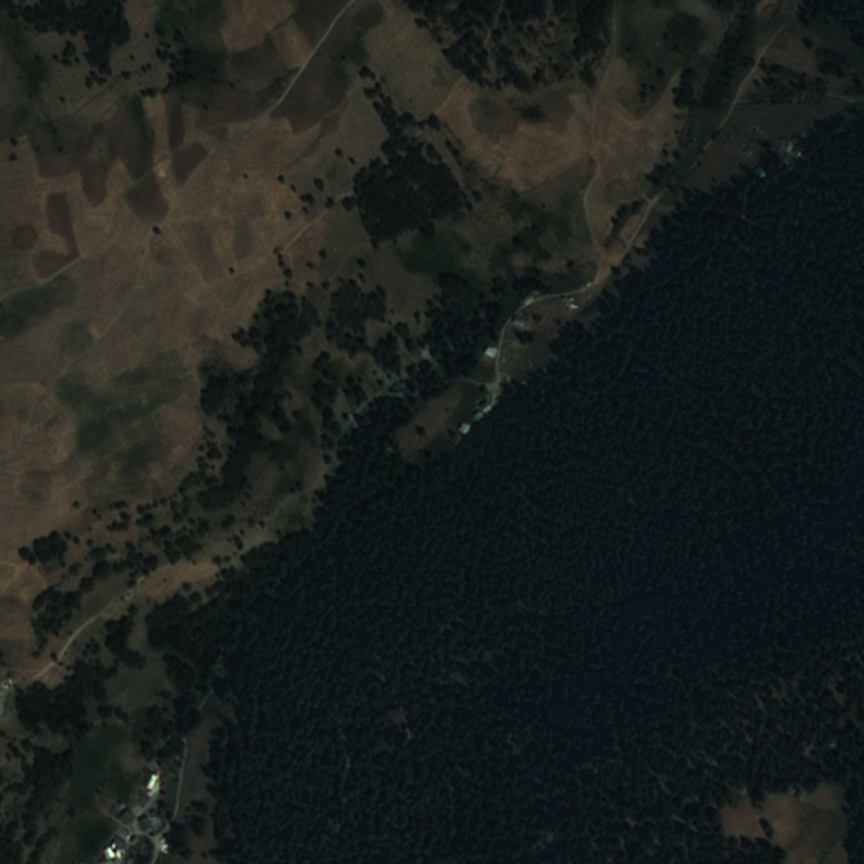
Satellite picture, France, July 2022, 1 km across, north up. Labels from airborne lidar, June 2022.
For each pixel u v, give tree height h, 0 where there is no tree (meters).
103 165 0
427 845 20
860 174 18
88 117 0
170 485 0
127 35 14
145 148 0
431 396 13
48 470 0
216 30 0
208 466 5
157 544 18
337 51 0
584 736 21
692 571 22
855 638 19
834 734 27
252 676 27
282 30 0
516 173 0
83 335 0
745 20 12
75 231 0
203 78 0
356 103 0
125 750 0
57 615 18
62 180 0
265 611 31
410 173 16
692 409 23
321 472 0
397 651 10
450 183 19
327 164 0
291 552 21
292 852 22
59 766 18
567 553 19
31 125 0
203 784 0
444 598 20
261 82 0
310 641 21
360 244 0
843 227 25
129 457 0
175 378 0
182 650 19
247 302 0
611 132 0
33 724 15
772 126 0
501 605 18
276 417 17
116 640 18
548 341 0
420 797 22
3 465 0
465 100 0
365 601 25
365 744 21
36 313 0
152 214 0
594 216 0
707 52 0
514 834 15
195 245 0
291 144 0
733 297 28
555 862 15
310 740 20
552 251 0
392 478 18
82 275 0
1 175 0
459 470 26
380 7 0
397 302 0
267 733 18
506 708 22
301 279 0
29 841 20
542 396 21
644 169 0
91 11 15
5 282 0
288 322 17
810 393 25
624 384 26
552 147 0
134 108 0
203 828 8
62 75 0
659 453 20
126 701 0
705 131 0
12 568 0
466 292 17
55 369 0
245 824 19
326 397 15
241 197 0
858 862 20
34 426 0
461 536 20
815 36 0
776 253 23
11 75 0
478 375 0
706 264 25
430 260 0
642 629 15
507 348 0
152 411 0
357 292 18
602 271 0
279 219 0
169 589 0
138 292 0
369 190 11
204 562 0
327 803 11
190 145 0
